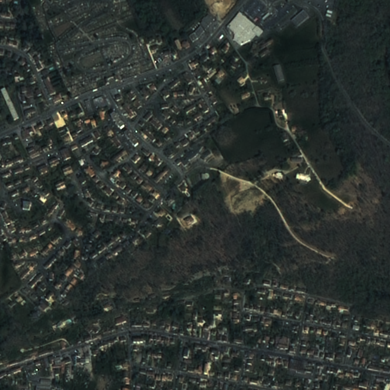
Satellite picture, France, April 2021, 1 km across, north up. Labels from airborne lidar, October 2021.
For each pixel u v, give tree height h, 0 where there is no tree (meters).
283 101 7
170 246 17
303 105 0
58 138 0
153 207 0
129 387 6
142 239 7
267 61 8
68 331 13
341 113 17
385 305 17
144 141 0
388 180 18
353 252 20
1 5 6
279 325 6
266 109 8
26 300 13
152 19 16
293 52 0
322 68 15
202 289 9
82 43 0
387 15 8
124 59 0
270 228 17
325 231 21
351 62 25
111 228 17
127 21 0
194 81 0
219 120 6
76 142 0
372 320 0
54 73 6
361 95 25
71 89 0
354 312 21
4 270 0
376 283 18
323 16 0
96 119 16
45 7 0
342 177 16
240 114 7
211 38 0
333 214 13
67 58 0
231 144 0
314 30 0
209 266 15
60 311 8
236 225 21
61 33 0
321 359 0
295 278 9
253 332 9
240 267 16
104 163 0
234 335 8
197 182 0
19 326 14
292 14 0
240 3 0
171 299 6
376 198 15
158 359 6
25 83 6
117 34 0
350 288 20
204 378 0
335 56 17
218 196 23
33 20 11
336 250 18
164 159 0
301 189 0
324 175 0
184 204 9
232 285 7
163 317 13
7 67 16
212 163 0
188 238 16
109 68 0
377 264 14
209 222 19
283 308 0
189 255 13
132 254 17
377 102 19
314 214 21
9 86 9
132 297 16
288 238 15
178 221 0
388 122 25
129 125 0
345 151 16
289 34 0
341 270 22
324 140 0
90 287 18
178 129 0
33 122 0
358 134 22
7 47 0
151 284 20
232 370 7
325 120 21
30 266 0
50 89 0
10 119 15
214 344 0
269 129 9
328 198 0
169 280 20
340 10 17
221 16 0
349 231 19
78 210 14
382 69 18
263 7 0
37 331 8
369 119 19
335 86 25
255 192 22
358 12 25
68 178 8
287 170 0
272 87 0
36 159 0
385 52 17
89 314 9
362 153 24
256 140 0
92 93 0
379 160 20
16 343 19
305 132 0
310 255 10
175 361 0
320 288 14
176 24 0
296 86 6
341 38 24
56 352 0
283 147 0
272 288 0
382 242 12
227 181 0
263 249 8
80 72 0
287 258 12
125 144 6
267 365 7
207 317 7
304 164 15
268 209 21
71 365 0
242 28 0
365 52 28
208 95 6
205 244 15
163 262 15
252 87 13
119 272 21
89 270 12
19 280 0
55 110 0
